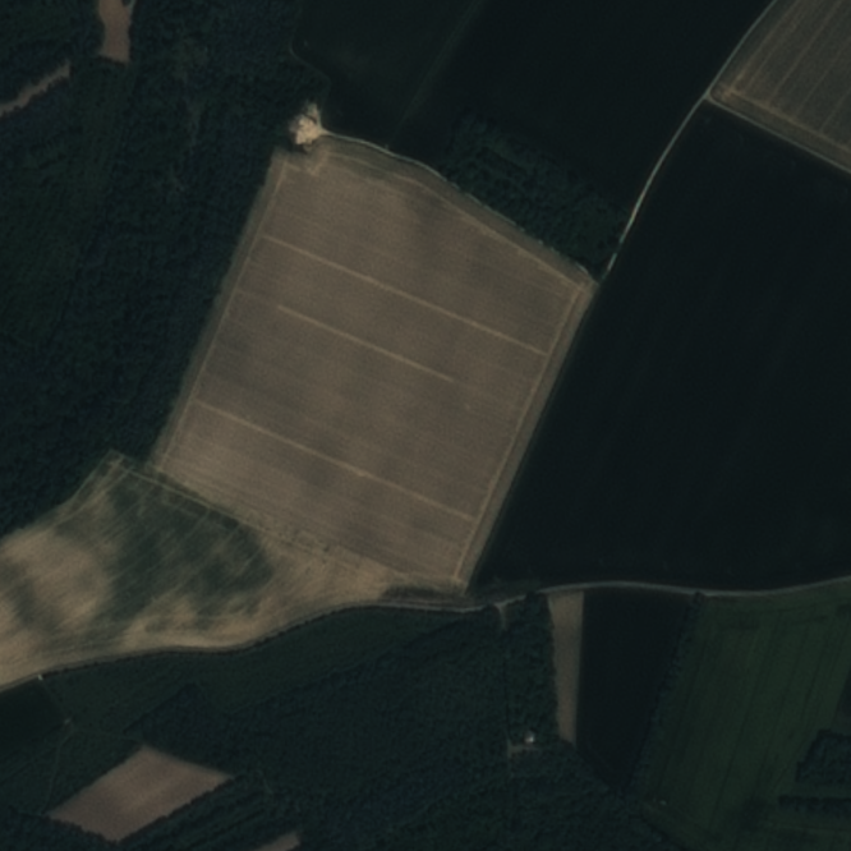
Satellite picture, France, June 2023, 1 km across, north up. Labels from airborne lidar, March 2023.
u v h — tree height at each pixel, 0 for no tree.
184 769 0
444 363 0
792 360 0
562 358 0
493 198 14
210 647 0
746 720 0
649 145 0
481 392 0
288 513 0
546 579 0
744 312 0
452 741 12
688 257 0
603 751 0
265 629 0
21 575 0
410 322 0
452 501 0
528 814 12
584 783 17
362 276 0
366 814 13
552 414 0
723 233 0
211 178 10
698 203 0
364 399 0
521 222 9
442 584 0
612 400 0
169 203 16
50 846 17
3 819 7
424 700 8
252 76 12
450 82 0
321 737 15
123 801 0
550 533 0
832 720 0
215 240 17
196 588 0
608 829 13
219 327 0
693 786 0
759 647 0
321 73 0
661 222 0
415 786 11
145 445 9
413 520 0
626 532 0
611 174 0
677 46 0
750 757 0
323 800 7
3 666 0
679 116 0
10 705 0
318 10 0
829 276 0
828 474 0
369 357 0
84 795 0
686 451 0
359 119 0
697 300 0
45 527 0
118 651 0
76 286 13
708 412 0
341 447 0
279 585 0
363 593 0
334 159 0
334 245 0
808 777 14
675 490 0
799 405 0
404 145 0
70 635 0
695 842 0
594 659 0
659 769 0
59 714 0
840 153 0
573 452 0
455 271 0
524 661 16
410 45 0
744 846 0
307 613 0
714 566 0
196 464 0
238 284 0
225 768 12
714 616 0
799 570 0
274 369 0
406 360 0
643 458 0
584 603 0
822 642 0
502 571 0
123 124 8
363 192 0
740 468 0
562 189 9
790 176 0
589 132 0
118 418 12
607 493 0
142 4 13
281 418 0
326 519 0
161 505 0
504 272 0
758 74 0
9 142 18
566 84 0
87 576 0
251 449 0
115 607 0
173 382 11
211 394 0
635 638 0
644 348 0
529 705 15
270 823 8
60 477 11
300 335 0
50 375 23
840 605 0
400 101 0
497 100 0
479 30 0
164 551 0
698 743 0
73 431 29
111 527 0
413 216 0
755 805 0
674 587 0
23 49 16
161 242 20
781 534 0
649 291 0
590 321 0
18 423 26
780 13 0
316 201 0
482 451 0
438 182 0
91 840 13
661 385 0
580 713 0
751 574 0
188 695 16
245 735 10
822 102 0
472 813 13
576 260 7
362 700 14
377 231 0
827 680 0
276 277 0
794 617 0
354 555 0
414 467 0
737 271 0
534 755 6
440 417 0
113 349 25
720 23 0
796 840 0
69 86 18
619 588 0
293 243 0
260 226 0
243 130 16
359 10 0
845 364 0
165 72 7
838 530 0
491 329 0
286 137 14
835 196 0
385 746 16
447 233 0
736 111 0
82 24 17
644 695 0
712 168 0
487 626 11
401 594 0
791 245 0
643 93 0
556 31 0
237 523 0
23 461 30
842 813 13
